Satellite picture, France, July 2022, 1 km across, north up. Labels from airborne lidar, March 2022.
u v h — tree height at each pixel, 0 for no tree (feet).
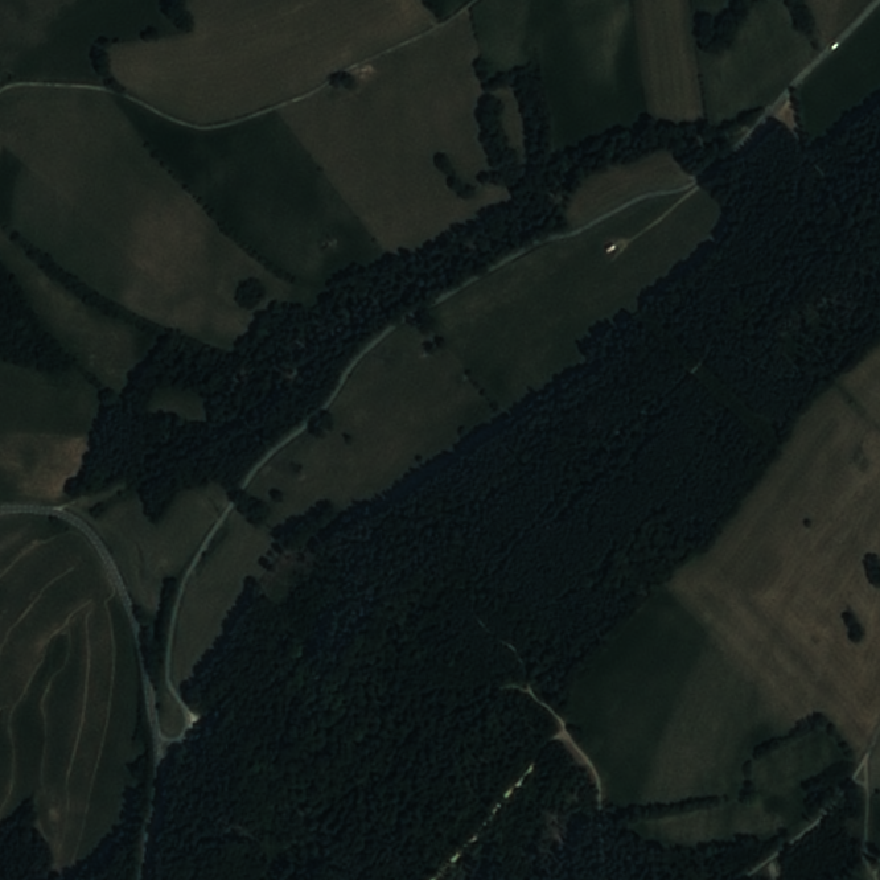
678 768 0
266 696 84
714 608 0
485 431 0
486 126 70
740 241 67
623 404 55
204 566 0
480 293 0
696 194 0
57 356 28
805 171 74
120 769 0
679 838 0
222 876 67
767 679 0
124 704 0
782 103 0
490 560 78
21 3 0
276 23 0
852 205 82
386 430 0
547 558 64
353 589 52
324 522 66
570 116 0
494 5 0
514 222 75
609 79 0
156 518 57
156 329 27
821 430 0
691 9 0
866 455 0
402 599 69
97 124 0
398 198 0
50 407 0
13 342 49
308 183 0
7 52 0
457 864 122
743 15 52
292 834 67
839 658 0
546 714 23
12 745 0
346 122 0
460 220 0
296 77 0
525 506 67
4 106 0
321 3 0
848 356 23
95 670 0
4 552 0
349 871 60
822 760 0
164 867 79
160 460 83
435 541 71
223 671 75
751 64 0
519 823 28
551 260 0
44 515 0
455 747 41
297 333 88
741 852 41
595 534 64
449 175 26
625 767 0
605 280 0
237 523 0
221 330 0
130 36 0
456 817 85
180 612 0
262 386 58
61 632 0
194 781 89
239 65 0
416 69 0
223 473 49
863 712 0
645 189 0
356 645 80
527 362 0
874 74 0
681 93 0
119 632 0
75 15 0
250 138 0
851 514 0
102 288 0
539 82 59
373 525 91
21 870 94
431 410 0
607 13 0
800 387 69
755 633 0
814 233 77
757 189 76
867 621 0
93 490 68
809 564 0
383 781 43
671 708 0
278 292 0
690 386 64
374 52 0
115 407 79
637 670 0
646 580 76
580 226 0
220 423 72
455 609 49
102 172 0
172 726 0
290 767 88
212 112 0
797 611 0
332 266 0
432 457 0
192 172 0
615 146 74
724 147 82
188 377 33
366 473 0
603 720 0
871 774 0
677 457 58
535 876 24
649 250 0
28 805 32
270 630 75
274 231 0
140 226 0
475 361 0
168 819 74
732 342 63
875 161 95
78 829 0
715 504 73
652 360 64
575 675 86
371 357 0
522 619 49
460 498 75
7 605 0
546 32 0
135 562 0
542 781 23
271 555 0
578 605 72
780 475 0
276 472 0
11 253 0
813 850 22
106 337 0
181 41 0
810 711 0
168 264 0
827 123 0
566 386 66
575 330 0
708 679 0
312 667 66
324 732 71
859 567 0
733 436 75
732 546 0
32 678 0
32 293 0
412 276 100
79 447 0
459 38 0
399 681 37
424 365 0
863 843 76
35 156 0
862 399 0
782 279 87
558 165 77
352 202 0
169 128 0
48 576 0
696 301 74
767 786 0
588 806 28
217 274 0
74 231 0
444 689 35
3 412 0
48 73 0
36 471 0
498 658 39
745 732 0
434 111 0
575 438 62
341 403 0
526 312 0
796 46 0
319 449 0
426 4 28
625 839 103
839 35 0
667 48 0
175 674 0
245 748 86
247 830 93
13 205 0
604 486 76
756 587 0
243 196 0
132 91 0
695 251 0
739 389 63
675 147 61
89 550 0
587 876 116
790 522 0
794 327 56
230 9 0
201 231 0
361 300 89
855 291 66
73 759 0
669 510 62
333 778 64
